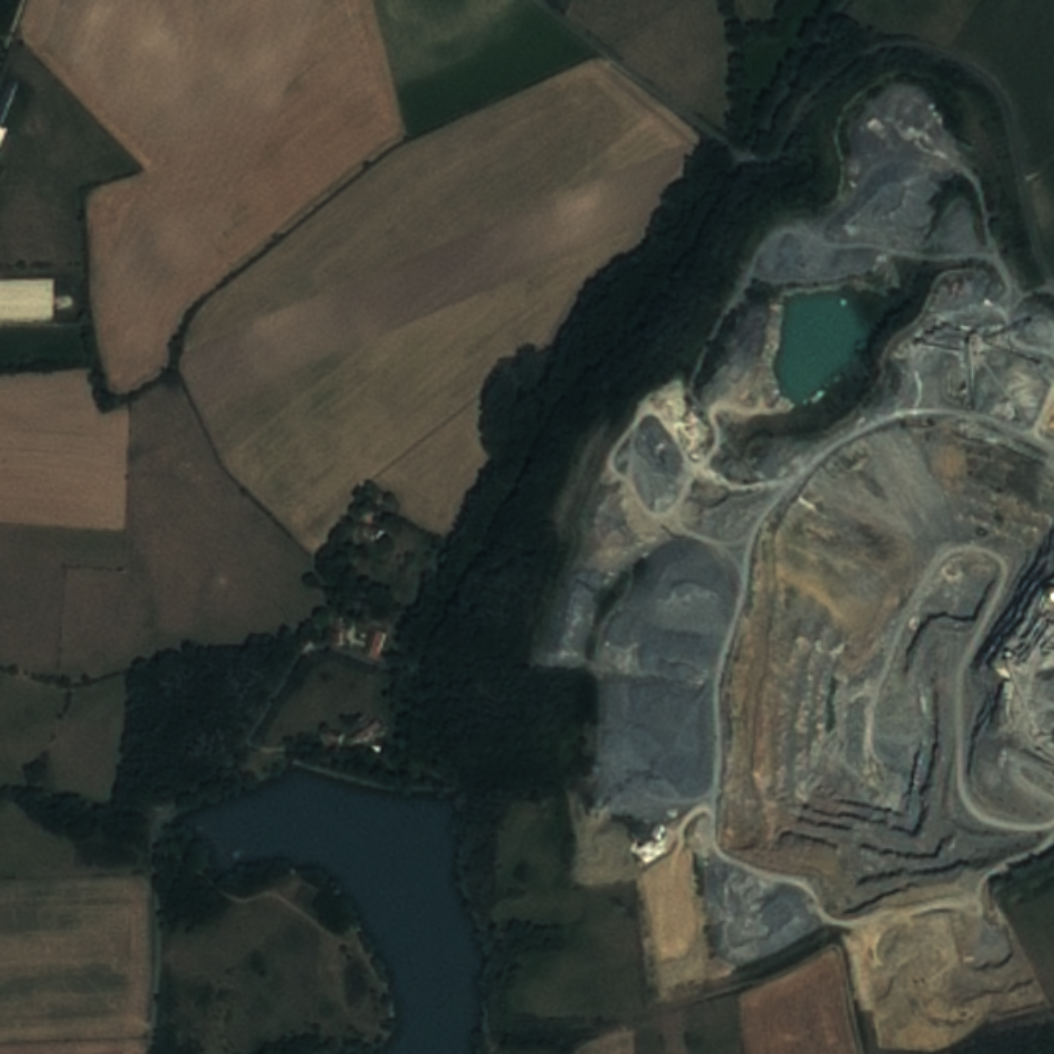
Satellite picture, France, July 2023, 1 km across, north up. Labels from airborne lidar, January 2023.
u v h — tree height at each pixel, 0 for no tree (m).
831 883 0
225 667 22
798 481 0
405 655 14
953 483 0
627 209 0
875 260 0
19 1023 0
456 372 0
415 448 0
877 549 0
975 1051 9
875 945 0
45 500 0
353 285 0
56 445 0
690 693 0
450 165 0
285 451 0
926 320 0
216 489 0
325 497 0
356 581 17
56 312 0
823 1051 0
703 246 11
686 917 0
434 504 0
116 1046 0
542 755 10
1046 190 0
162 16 0
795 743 0
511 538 21
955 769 0
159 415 0
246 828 0
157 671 15
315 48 0
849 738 0
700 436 0
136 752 16
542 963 0
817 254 0
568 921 0
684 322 15
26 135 0
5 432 0
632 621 0
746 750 0
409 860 0
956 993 0
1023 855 0
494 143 0
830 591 0
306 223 0
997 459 0
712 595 0
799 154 15
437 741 19
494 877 8
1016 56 0
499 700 18
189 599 0
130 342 0
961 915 0
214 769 14
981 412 0
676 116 0
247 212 0
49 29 0
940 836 0
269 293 0
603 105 0
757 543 0
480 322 0
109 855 0
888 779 0
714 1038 0
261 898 0
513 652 10
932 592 0
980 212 6
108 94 0
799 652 0
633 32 0
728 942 0
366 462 0
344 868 0
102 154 0
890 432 0
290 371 0
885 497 0
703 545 0
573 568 0
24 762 0
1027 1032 7
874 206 0
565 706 15
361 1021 0
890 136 0
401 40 0
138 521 0
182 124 0
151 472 0
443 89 0
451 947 0
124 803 19
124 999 0
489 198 0
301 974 0
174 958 0
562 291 0
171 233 0
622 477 0
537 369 36
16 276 0
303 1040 9
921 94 0
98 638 0
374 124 0
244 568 0
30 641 0
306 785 0
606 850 0
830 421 0
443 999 0
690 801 0
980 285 0
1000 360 0
